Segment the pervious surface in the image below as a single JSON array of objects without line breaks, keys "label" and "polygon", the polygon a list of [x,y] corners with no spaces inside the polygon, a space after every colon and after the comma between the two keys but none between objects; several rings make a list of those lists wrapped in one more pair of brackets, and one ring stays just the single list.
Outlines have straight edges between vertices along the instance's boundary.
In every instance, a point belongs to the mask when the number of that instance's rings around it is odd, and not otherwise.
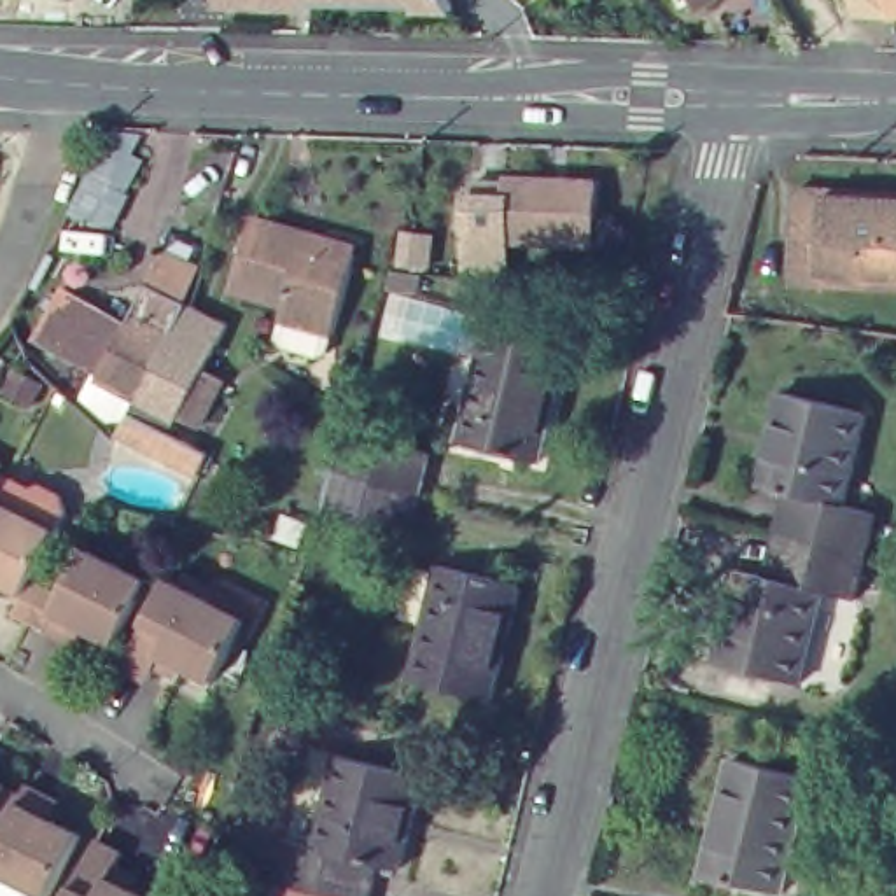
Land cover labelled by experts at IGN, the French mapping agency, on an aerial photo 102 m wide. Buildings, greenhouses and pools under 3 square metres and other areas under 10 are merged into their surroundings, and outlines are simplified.
[{"label": "pervious surface", "polygon": [[497,809],[466,816],[445,809],[431,819],[511,840],[515,816],[508,812]]},{"label": "pervious surface", "polygon": [[739,508],[753,515],[770,515],[781,494],[756,490],[753,483]]},{"label": "pervious surface", "polygon": [[504,847],[497,847],[494,854],[476,854],[459,844],[408,835],[406,851],[417,858],[420,879],[431,886],[431,893],[445,896],[497,896],[508,865]]},{"label": "pervious surface", "polygon": [[798,42],[851,42],[868,18],[847,14],[844,0],[777,0],[788,11]]},{"label": "pervious surface", "polygon": [[539,525],[539,518],[546,515],[585,529],[595,497],[536,497],[508,490],[504,483],[462,476],[459,487],[445,487],[438,480],[438,490],[466,504],[494,501],[522,508],[525,515],[518,525]]},{"label": "pervious surface", "polygon": [[18,130],[0,133],[0,224],[21,182],[28,137]]},{"label": "pervious surface", "polygon": [[91,462],[84,469],[74,469],[70,476],[46,473],[35,462],[18,462],[14,448],[0,455],[0,483],[18,480],[53,490],[63,504],[60,515],[67,522],[77,522],[88,497],[98,501],[109,494],[109,480],[119,469],[161,476],[186,494],[193,483],[112,443],[112,438],[102,434],[91,445]]}]

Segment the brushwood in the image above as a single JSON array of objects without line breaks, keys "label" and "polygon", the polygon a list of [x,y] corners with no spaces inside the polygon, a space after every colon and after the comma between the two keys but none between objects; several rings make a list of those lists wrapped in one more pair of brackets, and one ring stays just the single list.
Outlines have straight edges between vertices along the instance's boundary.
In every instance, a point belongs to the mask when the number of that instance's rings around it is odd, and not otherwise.
[{"label": "brushwood", "polygon": [[466,504],[466,511],[476,511],[480,518],[518,525],[525,515],[522,508],[494,501]]},{"label": "brushwood", "polygon": [[725,427],[707,427],[693,448],[686,483],[711,483],[718,476],[725,455]]},{"label": "brushwood", "polygon": [[865,669],[872,651],[875,613],[861,613],[854,630],[854,651],[840,676],[844,686]]},{"label": "brushwood", "polygon": [[742,39],[753,46],[770,42],[770,53],[788,56],[798,49],[798,42],[788,11],[777,0],[756,0],[756,11],[767,25],[746,21],[746,28],[735,28],[739,14],[721,18],[728,39]]},{"label": "brushwood", "polygon": [[714,375],[735,385],[739,368],[746,364],[746,347],[732,333],[714,361]]},{"label": "brushwood", "polygon": [[753,539],[763,546],[770,529],[700,515],[686,504],[683,518],[690,525],[714,529],[728,539]]}]

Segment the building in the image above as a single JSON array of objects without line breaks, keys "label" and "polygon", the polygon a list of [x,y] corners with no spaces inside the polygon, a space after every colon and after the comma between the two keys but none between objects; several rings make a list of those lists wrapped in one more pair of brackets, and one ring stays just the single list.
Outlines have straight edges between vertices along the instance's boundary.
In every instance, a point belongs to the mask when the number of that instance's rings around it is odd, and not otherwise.
[{"label": "building", "polygon": [[151,585],[144,609],[133,606],[130,599],[137,578],[84,550],[70,553],[70,567],[56,574],[53,585],[35,588],[25,578],[32,550],[49,536],[60,536],[60,515],[63,504],[53,490],[18,480],[0,483],[0,599],[7,602],[4,616],[14,623],[14,630],[28,627],[63,644],[91,641],[105,644],[112,655],[123,655],[133,658],[133,665],[158,672],[158,686],[165,690],[175,679],[182,679],[186,686],[207,686],[210,672],[217,648],[235,630],[235,616],[214,609],[210,602],[168,581]]},{"label": "building", "polygon": [[32,270],[32,287],[42,284],[49,270],[46,256]]},{"label": "building", "polygon": [[105,844],[91,844],[95,830],[88,798],[67,788],[60,774],[32,774],[18,777],[14,791],[0,788],[0,896],[133,896],[109,882],[116,851]]},{"label": "building", "polygon": [[81,231],[102,235],[105,228],[112,228],[126,186],[137,172],[137,133],[123,133],[119,151],[109,154],[105,165],[98,165],[84,179],[74,179],[63,203],[67,214],[81,221]]},{"label": "building", "polygon": [[448,448],[466,445],[518,462],[536,462],[543,455],[550,431],[539,424],[539,403],[546,399],[546,392],[525,385],[525,364],[518,354],[483,354],[483,375],[473,385],[473,403],[459,410],[448,434]]},{"label": "building", "polygon": [[459,707],[469,697],[494,697],[497,669],[490,665],[490,651],[501,620],[487,609],[494,602],[515,606],[515,585],[497,581],[494,574],[476,578],[452,567],[427,567],[420,574],[406,599],[406,616],[410,651],[399,676],[406,683],[452,697]]},{"label": "building", "polygon": [[418,502],[434,501],[424,490],[427,455],[410,452],[406,462],[375,466],[361,476],[326,476],[319,487],[326,511],[364,532],[410,532]]},{"label": "building", "polygon": [[207,7],[221,14],[287,14],[291,21],[305,11],[312,14],[333,7],[438,18],[448,11],[445,0],[207,0]]},{"label": "building", "polygon": [[476,196],[466,196],[459,189],[452,203],[452,221],[455,263],[459,270],[501,270],[504,252],[515,245],[529,252],[529,259],[546,256],[550,235],[560,245],[581,249],[592,228],[592,210],[595,189],[588,179],[487,179]]},{"label": "building", "polygon": [[294,518],[277,518],[277,543],[298,543],[301,525]]},{"label": "building", "polygon": [[284,354],[298,357],[315,357],[329,343],[354,249],[340,238],[270,221],[245,217],[231,245],[228,266],[224,301],[252,301],[273,308],[273,343]]},{"label": "building", "polygon": [[896,200],[802,189],[781,214],[788,287],[896,294]]},{"label": "building", "polygon": [[25,410],[49,396],[21,371],[11,371],[0,385],[0,389]]},{"label": "building", "polygon": [[557,35],[560,42],[613,42],[662,49],[662,42],[651,35]]},{"label": "building", "polygon": [[312,816],[312,837],[305,851],[298,861],[298,882],[284,896],[368,896],[371,882],[382,882],[392,868],[406,868],[417,858],[406,851],[408,835],[413,805],[406,791],[396,788],[392,767],[336,760],[336,777],[315,784],[315,791],[322,791],[322,802],[305,805]]},{"label": "building", "polygon": [[721,770],[721,784],[704,837],[697,868],[700,886],[777,893],[791,882],[784,872],[784,854],[795,833],[795,781],[777,770],[746,767],[739,756],[728,760]]},{"label": "building", "polygon": [[767,560],[781,560],[795,574],[795,581],[781,585],[749,574],[749,588],[735,599],[732,627],[711,648],[711,655],[711,665],[742,679],[802,683],[805,679],[823,665],[837,602],[854,599],[865,592],[858,588],[858,574],[865,564],[875,567],[875,550],[882,539],[868,532],[872,515],[847,508],[844,497],[858,441],[865,431],[865,417],[858,410],[809,403],[791,396],[791,389],[777,392],[760,438],[753,483],[756,490],[781,494],[770,515],[770,529],[763,546],[770,553]]},{"label": "building", "polygon": [[431,238],[413,231],[410,231],[396,242],[389,294],[417,298],[417,277],[420,270],[427,270],[431,259]]},{"label": "building", "polygon": [[112,438],[112,443],[193,483],[200,455],[196,448],[168,434],[154,434],[126,417],[130,410],[147,410],[151,417],[168,424],[200,427],[210,399],[217,396],[217,375],[203,368],[203,361],[210,357],[221,336],[221,322],[186,305],[186,291],[193,280],[189,245],[175,242],[165,256],[137,263],[137,266],[151,277],[151,287],[126,287],[126,319],[102,312],[81,294],[70,298],[67,291],[53,291],[42,301],[28,333],[32,343],[46,354],[46,361],[70,375],[81,385],[81,392],[81,403],[116,427]]},{"label": "building", "polygon": [[868,18],[896,21],[896,0],[844,0],[847,14]]}]

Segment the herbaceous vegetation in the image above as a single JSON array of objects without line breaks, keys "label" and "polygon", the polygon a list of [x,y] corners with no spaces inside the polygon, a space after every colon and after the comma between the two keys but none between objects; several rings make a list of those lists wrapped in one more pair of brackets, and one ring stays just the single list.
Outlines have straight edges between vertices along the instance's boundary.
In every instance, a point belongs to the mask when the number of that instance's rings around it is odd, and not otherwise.
[{"label": "herbaceous vegetation", "polygon": [[658,823],[676,826],[683,833],[690,826],[700,826],[704,837],[721,784],[721,770],[728,760],[739,756],[735,721],[742,718],[742,711],[732,707],[728,714],[714,714],[711,721],[686,711],[676,721],[686,756],[672,791],[658,802]]},{"label": "herbaceous vegetation", "polygon": [[312,140],[308,168],[319,182],[322,217],[375,235],[361,305],[354,308],[347,333],[329,343],[336,361],[357,371],[357,392],[368,403],[378,385],[399,382],[406,403],[417,413],[438,417],[438,406],[448,392],[448,375],[459,364],[445,350],[382,340],[389,294],[396,242],[410,231],[403,189],[406,182],[399,179],[399,172],[403,165],[420,161],[424,147],[396,147],[382,140]]},{"label": "herbaceous vegetation", "polygon": [[896,669],[896,616],[875,602],[879,595],[872,588],[865,592],[854,599],[861,613],[875,613],[872,651],[865,669],[844,686],[844,697],[872,690],[872,683],[886,669]]},{"label": "herbaceous vegetation", "polygon": [[60,235],[60,270],[81,270],[88,256],[98,256],[105,249],[102,235],[81,231]]},{"label": "herbaceous vegetation", "polygon": [[445,487],[459,487],[462,476],[504,483],[508,490],[536,497],[595,497],[602,473],[595,466],[564,469],[543,455],[536,462],[518,462],[466,445],[448,448],[445,459],[438,459],[434,452],[427,455],[424,490],[434,501],[418,502],[410,532],[413,567],[420,574],[427,567],[452,567],[476,578],[494,574],[494,560],[487,553],[490,546],[536,543],[553,553],[571,553],[578,560],[585,529],[546,515],[539,518],[539,525],[518,525],[480,518],[476,511],[466,511],[466,504],[438,490],[438,480]]},{"label": "herbaceous vegetation", "polygon": [[35,294],[25,294],[14,312],[14,322],[0,333],[0,357],[18,336],[28,333],[42,301]]},{"label": "herbaceous vegetation", "polygon": [[70,476],[74,469],[84,469],[91,462],[91,445],[102,434],[112,438],[116,427],[81,403],[81,392],[67,399],[49,396],[25,410],[0,389],[0,455],[14,448],[18,462],[35,462],[46,473]]},{"label": "herbaceous vegetation", "polygon": [[476,714],[501,714],[508,721],[518,721],[518,742],[525,749],[546,756],[550,742],[564,728],[560,697],[546,690],[543,704],[532,704],[529,690],[518,679],[518,665],[529,644],[539,588],[532,581],[515,585],[515,606],[494,602],[487,609],[501,620],[490,651],[490,665],[497,669],[494,697],[469,697],[459,707],[466,721],[473,721]]},{"label": "herbaceous vegetation", "polygon": [[266,196],[270,182],[284,175],[291,165],[298,165],[291,158],[287,137],[277,137],[270,126],[207,123],[200,126],[207,147],[189,154],[193,179],[186,182],[189,196],[182,200],[186,224],[203,210],[217,214],[221,200]]},{"label": "herbaceous vegetation", "polygon": [[308,518],[322,518],[326,511],[319,487],[326,476],[305,466],[301,452],[266,445],[266,431],[259,427],[256,410],[266,392],[277,392],[273,364],[263,361],[263,354],[273,343],[273,308],[252,301],[224,301],[228,266],[214,277],[210,287],[193,280],[186,291],[186,305],[221,322],[221,336],[210,357],[203,361],[203,368],[217,375],[217,396],[210,399],[200,427],[168,424],[151,417],[147,410],[130,410],[126,417],[154,434],[168,434],[196,448],[200,455],[217,459],[217,469],[256,473],[266,483],[259,494],[259,508],[249,518],[249,529],[256,536],[214,536],[214,529],[196,515],[182,504],[147,504],[144,511],[151,518],[154,536],[165,539],[172,550],[175,564],[168,571],[168,581],[210,602],[214,609],[235,616],[235,630],[256,644],[263,634],[270,641],[280,641],[294,620],[294,606],[308,609],[315,616],[315,630],[326,637],[340,662],[340,693],[368,707],[371,718],[382,711],[382,683],[392,683],[399,676],[410,651],[406,616],[357,609],[336,581],[329,581],[326,571],[319,571],[305,557],[298,543],[277,543],[277,518],[294,518],[301,525]]},{"label": "herbaceous vegetation", "polygon": [[578,165],[553,165],[546,154],[532,154],[529,147],[504,147],[504,165],[490,168],[487,179],[588,179],[595,189],[592,210],[599,217],[613,217],[616,224],[623,224],[627,235],[665,203],[669,193],[676,193],[672,154],[651,161],[648,154],[634,151],[585,147]]},{"label": "herbaceous vegetation", "polygon": [[364,742],[361,728],[347,721],[301,732],[298,756],[301,763],[308,763],[315,753],[329,753],[336,760],[392,767],[389,742]]},{"label": "herbaceous vegetation", "polygon": [[448,277],[455,263],[452,221],[438,214],[434,224],[417,224],[413,231],[431,238],[431,259],[427,270],[420,270],[417,277],[417,298],[445,308],[448,298],[441,298],[434,280]]},{"label": "herbaceous vegetation", "polygon": [[658,28],[676,32],[683,39],[693,25],[704,25],[704,32],[714,39],[714,46],[728,53],[753,46],[742,39],[728,39],[721,18],[739,14],[735,28],[746,28],[746,21],[767,25],[756,11],[756,0],[648,0]]},{"label": "herbaceous vegetation", "polygon": [[791,396],[809,403],[858,410],[865,417],[865,431],[858,441],[844,497],[847,508],[872,515],[868,532],[882,539],[889,515],[896,511],[896,406],[886,406],[879,396],[886,385],[879,382],[879,371],[868,364],[872,354],[858,350],[851,336],[830,333],[826,319],[868,315],[896,326],[896,294],[788,287],[781,214],[802,189],[896,200],[896,161],[802,158],[770,182],[770,193],[756,189],[753,217],[739,256],[739,273],[728,298],[732,333],[746,347],[746,364],[739,368],[735,385],[714,375],[704,385],[711,392],[707,427],[725,427],[725,455],[718,476],[711,483],[686,483],[686,504],[700,515],[770,529],[770,515],[753,515],[739,508],[753,483],[760,438],[777,392],[791,389]]},{"label": "herbaceous vegetation", "polygon": [[592,403],[581,392],[546,392],[546,399],[539,403],[539,424],[550,431],[557,424],[567,424],[578,434],[595,434],[588,413]]},{"label": "herbaceous vegetation", "polygon": [[777,893],[700,886],[697,868],[676,882],[662,882],[644,854],[620,854],[613,879],[588,882],[592,896],[802,896],[791,882]]},{"label": "herbaceous vegetation", "polygon": [[95,532],[91,546],[84,550],[137,578],[130,599],[133,606],[144,609],[151,585],[126,532]]},{"label": "herbaceous vegetation", "polygon": [[266,819],[238,816],[245,809],[249,788],[235,788],[235,781],[242,763],[249,760],[252,735],[266,735],[266,746],[277,746],[277,739],[287,728],[263,721],[263,714],[256,711],[259,693],[245,683],[242,672],[235,679],[224,690],[217,690],[224,693],[228,714],[235,721],[235,746],[228,760],[217,763],[207,777],[186,770],[179,770],[175,777],[179,784],[168,791],[165,812],[175,816],[172,833],[182,837],[179,844],[193,854],[203,854],[203,861],[228,854],[242,868],[249,896],[284,896],[298,882],[298,861],[305,851],[294,837],[277,833]]}]

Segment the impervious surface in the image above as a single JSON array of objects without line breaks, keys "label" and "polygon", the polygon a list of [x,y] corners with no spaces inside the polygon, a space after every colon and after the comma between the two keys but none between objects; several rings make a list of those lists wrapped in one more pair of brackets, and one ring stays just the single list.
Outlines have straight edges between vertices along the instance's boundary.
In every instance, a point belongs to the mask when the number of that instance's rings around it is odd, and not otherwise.
[{"label": "impervious surface", "polygon": [[322,802],[322,791],[315,791],[315,784],[336,777],[336,760],[329,753],[315,753],[308,763],[308,788],[294,795],[291,809],[266,819],[277,833],[294,837],[305,851],[312,837],[312,816],[305,805]]},{"label": "impervious surface", "polygon": [[182,504],[196,515],[203,487],[217,469],[217,459],[200,455],[193,483],[186,494]]},{"label": "impervious surface", "polygon": [[669,686],[669,693],[700,690],[746,704],[798,704],[802,683],[742,679],[711,665],[711,655],[700,655],[683,672],[683,679]]},{"label": "impervious surface", "polygon": [[158,767],[158,749],[151,742],[151,725],[165,704],[165,690],[158,686],[158,672],[133,665],[133,658],[123,655],[112,669],[116,697],[109,697],[95,714],[70,718],[46,700],[42,690],[42,665],[63,644],[28,627],[14,630],[14,623],[4,616],[7,602],[0,599],[0,735],[14,725],[28,732],[35,742],[42,742],[42,753],[32,753],[32,774],[60,774],[63,763],[84,763],[109,791],[112,826],[95,830],[91,844],[105,844],[116,851],[109,882],[133,896],[147,896],[161,851],[179,851],[179,844],[182,837],[172,833],[175,816],[165,812],[168,791],[179,784],[175,777]]},{"label": "impervious surface", "polygon": [[417,858],[406,868],[392,868],[382,882],[371,882],[368,896],[445,896],[431,893],[431,886],[420,879]]},{"label": "impervious surface", "polygon": [[[105,140],[109,154],[119,151],[123,133],[137,133],[137,172],[126,186],[112,228],[105,228],[102,235],[105,249],[126,252],[130,263],[137,263],[165,256],[175,242],[168,228],[186,224],[182,200],[189,196],[186,182],[193,179],[189,154],[207,147],[200,126],[207,123],[270,126],[277,137],[287,137],[291,158],[298,165],[291,165],[284,175],[291,186],[298,186],[298,196],[291,210],[280,210],[270,221],[340,238],[354,249],[329,343],[347,333],[354,308],[361,305],[375,235],[322,217],[319,182],[308,168],[312,140],[382,140],[396,147],[424,147],[459,144],[455,161],[466,168],[459,189],[466,196],[476,196],[487,179],[490,168],[504,165],[504,147],[529,147],[532,154],[546,154],[553,165],[578,165],[585,147],[634,151],[648,154],[651,161],[672,154],[676,193],[669,193],[665,203],[627,235],[623,242],[634,256],[620,259],[616,266],[623,273],[641,273],[641,291],[651,315],[634,336],[634,357],[641,361],[637,371],[620,371],[616,396],[592,403],[588,413],[595,434],[609,452],[602,473],[595,497],[585,529],[578,560],[571,606],[553,644],[557,669],[546,686],[529,690],[532,704],[543,704],[546,690],[560,697],[564,728],[550,742],[546,756],[525,749],[525,774],[508,812],[515,816],[511,840],[431,819],[413,805],[408,835],[459,844],[476,854],[494,854],[497,847],[504,847],[508,865],[497,896],[592,896],[588,882],[599,823],[613,809],[609,784],[620,732],[627,725],[637,679],[655,655],[651,627],[644,627],[644,620],[655,595],[641,585],[648,560],[655,557],[662,539],[676,539],[686,560],[697,564],[697,557],[707,557],[711,581],[725,581],[735,592],[735,599],[749,588],[749,574],[781,585],[795,581],[795,574],[781,560],[767,560],[770,553],[763,546],[753,539],[728,539],[714,529],[690,525],[683,518],[686,504],[686,483],[693,448],[707,427],[711,392],[704,385],[714,375],[714,361],[732,333],[728,298],[739,273],[739,256],[753,217],[756,189],[770,193],[770,182],[802,158],[896,161],[896,21],[868,18],[851,42],[798,42],[798,49],[788,56],[770,53],[770,42],[753,46],[728,53],[714,46],[714,39],[704,32],[704,42],[686,46],[683,53],[662,49],[613,42],[560,42],[557,35],[532,32],[522,0],[445,0],[448,11],[466,28],[455,42],[406,42],[382,28],[364,35],[315,35],[312,14],[305,11],[291,21],[287,14],[221,14],[207,7],[207,0],[0,0],[0,133],[18,130],[28,137],[21,182],[0,224],[0,333],[14,322],[14,312],[25,294],[35,294],[42,301],[53,291],[67,291],[70,298],[81,294],[102,312],[126,319],[126,287],[151,287],[151,277],[137,266],[116,273],[112,280],[109,273],[91,277],[81,270],[60,270],[60,235],[81,231],[81,221],[67,214],[63,203],[74,179],[67,158],[60,154],[60,140],[74,123],[88,123],[91,133]],[[46,256],[49,270],[42,284],[32,287],[32,270]]]},{"label": "impervious surface", "polygon": [[854,651],[854,630],[861,613],[854,599],[837,602],[823,665],[805,679],[809,686],[826,686],[826,693],[844,697],[844,686],[840,676]]},{"label": "impervious surface", "polygon": [[483,375],[483,354],[476,354],[473,368],[459,364],[448,375],[448,392],[438,406],[438,417],[438,427],[448,434],[459,410],[473,403],[473,385]]},{"label": "impervious surface", "polygon": [[21,371],[49,396],[67,399],[81,392],[81,385],[70,375],[46,361],[46,354],[32,343],[28,333],[18,336],[0,357],[0,385],[11,371]]},{"label": "impervious surface", "polygon": [[217,648],[210,672],[228,672],[235,679],[242,672],[256,644],[235,630]]},{"label": "impervious surface", "polygon": [[315,357],[298,357],[284,354],[273,343],[263,354],[263,361],[273,364],[287,361],[294,368],[305,368],[319,385],[326,385],[336,361],[329,343]]}]

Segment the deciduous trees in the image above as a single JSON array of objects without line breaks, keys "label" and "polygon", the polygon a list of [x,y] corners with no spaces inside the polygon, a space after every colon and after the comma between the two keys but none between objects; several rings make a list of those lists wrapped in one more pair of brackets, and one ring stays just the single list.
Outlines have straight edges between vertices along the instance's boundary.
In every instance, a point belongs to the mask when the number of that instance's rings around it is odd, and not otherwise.
[{"label": "deciduous trees", "polygon": [[896,511],[889,515],[882,539],[875,550],[875,567],[865,564],[858,574],[858,588],[865,592],[872,588],[879,595],[875,602],[896,616]]},{"label": "deciduous trees", "polygon": [[60,774],[67,788],[88,798],[95,830],[112,826],[109,791],[84,763],[63,763]]},{"label": "deciduous trees", "polygon": [[175,564],[172,550],[165,539],[154,536],[151,518],[144,511],[133,508],[133,501],[109,494],[98,501],[88,497],[77,522],[67,522],[60,515],[60,536],[49,536],[32,550],[25,578],[35,588],[53,585],[56,574],[70,567],[70,553],[84,550],[91,546],[95,532],[126,532],[151,585],[168,581],[168,571]]},{"label": "deciduous trees", "polygon": [[137,263],[130,263],[126,252],[105,249],[98,256],[88,256],[81,270],[91,277],[109,273],[112,280],[116,273],[137,266]]},{"label": "deciduous trees", "polygon": [[42,690],[46,700],[70,718],[95,714],[109,697],[116,697],[112,669],[123,655],[112,655],[105,644],[91,641],[63,644],[42,665]]},{"label": "deciduous trees", "polygon": [[277,739],[277,746],[266,746],[266,735],[252,735],[249,760],[242,763],[235,781],[235,788],[249,788],[245,809],[238,816],[266,819],[291,809],[294,795],[308,788],[308,763],[301,763],[298,756],[301,732],[347,721],[361,728],[364,742],[389,742],[392,767],[396,788],[406,791],[413,805],[431,819],[445,809],[466,816],[497,809],[508,812],[525,774],[525,749],[518,742],[518,721],[508,721],[501,714],[476,714],[473,721],[466,721],[459,707],[452,697],[406,683],[399,676],[392,683],[382,683],[382,711],[371,718],[368,707],[340,693],[340,662],[326,637],[315,630],[315,616],[308,609],[294,606],[294,620],[280,641],[270,641],[263,634],[256,644],[242,672],[245,683],[259,693],[256,711],[263,714],[263,721],[287,728]]},{"label": "deciduous trees", "polygon": [[259,508],[259,494],[266,483],[256,473],[217,469],[203,487],[196,515],[214,529],[214,536],[256,536],[249,529],[249,518]]},{"label": "deciduous trees", "polygon": [[333,7],[312,14],[315,35],[364,35],[382,28],[406,42],[455,42],[466,28],[448,11],[438,18]]},{"label": "deciduous trees", "polygon": [[557,424],[550,431],[543,455],[564,469],[595,466],[602,473],[609,452],[595,434],[578,434],[567,424]]},{"label": "deciduous trees", "polygon": [[658,802],[672,791],[686,756],[676,721],[686,711],[711,721],[714,714],[728,714],[732,707],[742,711],[742,718],[735,721],[739,756],[746,767],[777,770],[795,781],[795,833],[784,854],[784,872],[791,882],[802,896],[896,896],[896,669],[886,669],[872,683],[872,690],[844,697],[826,693],[826,686],[809,686],[805,679],[802,683],[798,704],[746,704],[700,690],[669,693],[669,686],[683,679],[683,672],[700,655],[711,655],[711,648],[732,627],[735,599],[735,592],[725,581],[711,581],[707,557],[697,557],[697,564],[686,560],[676,539],[662,539],[655,557],[648,560],[641,585],[655,595],[644,620],[644,627],[651,627],[655,655],[637,679],[627,725],[620,732],[609,784],[613,809],[599,823],[588,882],[613,879],[620,854],[644,854],[662,882],[676,882],[697,868],[704,837],[700,826],[690,826],[683,833],[676,826],[658,823]]},{"label": "deciduous trees", "polygon": [[634,336],[651,315],[641,291],[641,273],[623,273],[616,266],[620,259],[634,256],[623,242],[627,235],[623,224],[616,224],[613,217],[599,217],[592,210],[592,228],[581,249],[560,245],[550,235],[546,256],[529,259],[529,252],[515,245],[504,252],[501,270],[459,270],[455,263],[448,277],[434,280],[441,298],[448,298],[445,308],[455,312],[459,329],[476,354],[483,354],[518,354],[525,364],[525,385],[546,392],[581,392],[592,403],[616,396],[620,371],[637,371],[641,361],[634,357]]},{"label": "deciduous trees", "polygon": [[175,777],[179,770],[186,770],[207,777],[217,763],[228,760],[235,746],[235,721],[228,714],[224,693],[217,690],[224,690],[235,679],[228,672],[210,672],[207,686],[186,686],[182,679],[175,679],[165,690],[165,704],[151,725],[151,742],[158,749],[158,767]]},{"label": "deciduous trees", "polygon": [[851,336],[858,350],[872,354],[868,364],[879,371],[879,382],[886,385],[879,396],[886,406],[896,406],[896,326],[868,315],[826,319],[830,333]]},{"label": "deciduous trees", "polygon": [[28,732],[14,725],[0,735],[0,788],[14,791],[18,777],[32,774],[32,753],[42,753],[42,742],[35,742]]},{"label": "deciduous trees", "polygon": [[105,165],[109,154],[105,140],[91,133],[88,123],[74,123],[60,140],[60,154],[67,158],[74,179],[84,179],[98,165]]},{"label": "deciduous trees", "polygon": [[294,368],[287,361],[273,364],[277,392],[266,392],[256,410],[259,427],[266,431],[266,445],[301,452],[305,466],[326,476],[361,476],[375,466],[406,462],[410,452],[427,455],[434,452],[438,459],[445,459],[448,448],[448,434],[438,427],[438,417],[417,413],[406,403],[399,382],[378,385],[368,403],[357,392],[357,371],[336,361],[326,385],[319,385],[305,368]]},{"label": "deciduous trees", "polygon": [[651,35],[662,42],[662,49],[683,53],[686,46],[704,42],[704,32],[704,25],[693,25],[683,39],[676,32],[658,28],[648,0],[522,0],[532,32],[557,35]]},{"label": "deciduous trees", "polygon": [[532,581],[539,588],[529,644],[518,665],[518,679],[529,690],[546,686],[557,669],[553,644],[571,606],[578,560],[571,553],[553,553],[536,543],[490,546],[487,553],[494,560],[494,574],[497,581],[515,585]]},{"label": "deciduous trees", "polygon": [[420,574],[413,567],[410,532],[364,532],[326,511],[322,518],[308,518],[301,525],[298,543],[305,557],[319,571],[326,571],[329,581],[336,581],[357,609],[406,616],[406,599]]},{"label": "deciduous trees", "polygon": [[403,165],[399,172],[399,179],[406,182],[403,189],[410,231],[413,231],[417,224],[434,224],[438,214],[452,221],[452,203],[459,189],[466,168],[455,161],[459,144],[424,147],[420,161]]},{"label": "deciduous trees", "polygon": [[179,851],[161,851],[147,896],[249,896],[242,868],[228,854],[203,861],[203,854],[193,854],[179,844]]},{"label": "deciduous trees", "polygon": [[231,245],[245,217],[270,221],[280,210],[291,210],[298,196],[298,186],[291,186],[284,175],[270,182],[266,196],[221,200],[217,214],[203,210],[186,224],[168,228],[175,242],[189,245],[193,280],[210,287],[214,277],[228,266]]}]

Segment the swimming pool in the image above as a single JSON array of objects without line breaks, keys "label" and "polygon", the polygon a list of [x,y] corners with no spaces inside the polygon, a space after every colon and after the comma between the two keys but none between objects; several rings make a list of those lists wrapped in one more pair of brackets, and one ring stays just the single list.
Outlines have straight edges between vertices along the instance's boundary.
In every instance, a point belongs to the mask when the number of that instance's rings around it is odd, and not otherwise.
[{"label": "swimming pool", "polygon": [[182,504],[186,494],[161,476],[119,469],[109,480],[109,494],[133,501],[133,508],[144,511],[147,504]]},{"label": "swimming pool", "polygon": [[473,368],[476,354],[459,329],[455,312],[445,308],[417,298],[389,294],[382,340],[445,350],[459,364]]}]

